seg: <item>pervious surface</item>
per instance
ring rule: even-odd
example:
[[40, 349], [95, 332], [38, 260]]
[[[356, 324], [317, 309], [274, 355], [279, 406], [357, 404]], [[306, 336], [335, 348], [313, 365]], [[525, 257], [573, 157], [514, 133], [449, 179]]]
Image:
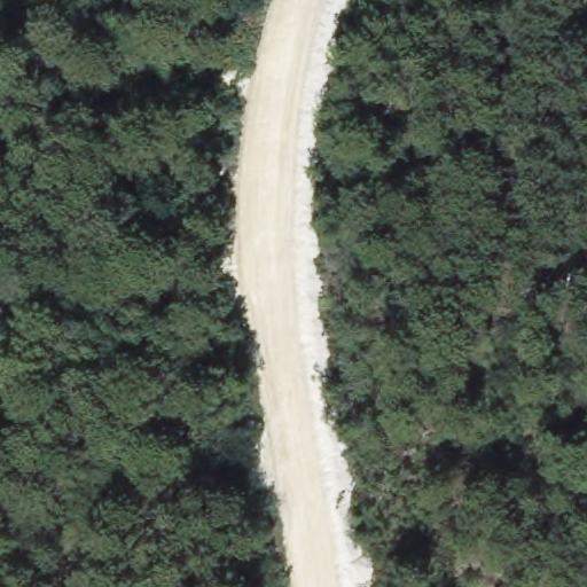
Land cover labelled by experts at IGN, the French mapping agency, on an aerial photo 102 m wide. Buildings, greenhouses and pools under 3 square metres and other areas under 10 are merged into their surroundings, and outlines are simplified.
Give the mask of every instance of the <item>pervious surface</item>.
[[255, 355], [259, 401], [264, 410], [264, 431], [259, 438], [259, 470], [264, 475], [264, 484], [273, 488], [277, 495], [284, 557], [291, 569], [291, 587], [371, 587], [371, 559], [362, 553], [360, 546], [353, 543], [349, 527], [353, 477], [344, 459], [344, 443], [337, 440], [335, 426], [323, 420], [321, 385], [328, 367], [328, 342], [319, 316], [321, 277], [316, 273], [314, 259], [319, 255], [319, 238], [312, 229], [314, 188], [307, 177], [310, 156], [314, 149], [314, 117], [321, 105], [328, 73], [332, 71], [328, 64], [328, 53], [330, 44], [335, 44], [332, 34], [337, 28], [337, 16], [346, 9], [344, 0], [271, 0], [266, 7], [264, 32], [257, 48], [257, 66], [252, 76], [248, 76], [238, 85], [241, 96], [245, 101], [245, 110], [243, 133], [238, 142], [238, 167], [232, 177], [236, 195], [234, 243], [232, 252], [222, 259], [222, 268], [236, 280], [236, 294], [243, 298], [245, 319], [259, 346]]

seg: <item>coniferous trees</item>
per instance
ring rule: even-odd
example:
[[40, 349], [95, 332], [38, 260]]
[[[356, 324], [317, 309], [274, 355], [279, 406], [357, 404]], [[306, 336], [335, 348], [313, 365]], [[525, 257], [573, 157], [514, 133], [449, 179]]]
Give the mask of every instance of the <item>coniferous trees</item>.
[[337, 16], [337, 28], [332, 34], [335, 44], [330, 44], [328, 53], [328, 64], [332, 71], [328, 73], [321, 105], [314, 117], [314, 149], [310, 156], [307, 177], [314, 188], [312, 229], [319, 238], [319, 255], [314, 259], [316, 273], [321, 277], [319, 316], [328, 342], [328, 367], [321, 385], [323, 420], [335, 426], [337, 440], [344, 443], [344, 459], [353, 477], [349, 527], [353, 543], [360, 546], [362, 553], [371, 559], [371, 587], [587, 587], [587, 0], [344, 0], [346, 9]]
[[0, 587], [291, 587], [291, 569], [284, 557], [277, 495], [273, 488], [264, 484], [264, 475], [259, 470], [259, 438], [264, 431], [264, 410], [259, 401], [255, 355], [259, 346], [245, 319], [243, 298], [236, 294], [236, 280], [222, 268], [222, 259], [232, 252], [234, 243], [236, 195], [232, 177], [238, 167], [238, 142], [243, 133], [245, 110], [245, 101], [241, 96], [238, 85], [248, 76], [252, 76], [257, 66], [257, 48], [264, 32], [266, 7], [271, 0], [0, 0]]

